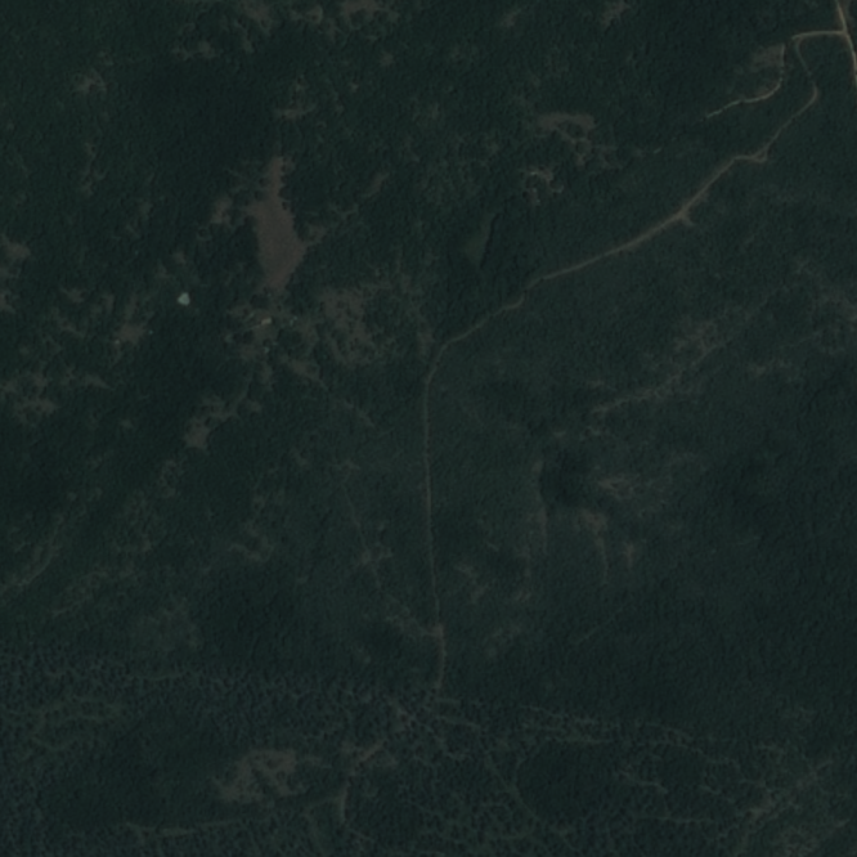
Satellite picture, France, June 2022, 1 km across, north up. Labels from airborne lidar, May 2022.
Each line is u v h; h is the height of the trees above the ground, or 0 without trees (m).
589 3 10
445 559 7
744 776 6
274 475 6
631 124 8
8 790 12
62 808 6
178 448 7
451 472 7
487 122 10
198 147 11
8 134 9
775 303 6
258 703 15
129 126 9
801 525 8
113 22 9
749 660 7
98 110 7
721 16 12
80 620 7
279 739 7
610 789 13
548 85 7
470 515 5
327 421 8
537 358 7
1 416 7
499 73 11
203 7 8
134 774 14
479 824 8
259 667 15
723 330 6
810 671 7
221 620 16
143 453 7
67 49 9
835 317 7
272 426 8
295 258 0
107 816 12
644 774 17
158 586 10
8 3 10
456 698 11
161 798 8
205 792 7
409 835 9
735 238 8
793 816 7
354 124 12
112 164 7
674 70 11
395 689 9
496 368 7
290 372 11
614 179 9
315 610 6
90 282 8
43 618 7
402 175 9
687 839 14
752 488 11
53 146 11
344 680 8
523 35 7
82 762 6
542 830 12
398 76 9
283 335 13
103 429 8
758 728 8
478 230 9
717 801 7
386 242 11
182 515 9
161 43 12
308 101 7
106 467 5
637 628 6
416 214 11
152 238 12
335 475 6
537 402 7
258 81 13
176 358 10
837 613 6
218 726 17
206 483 7
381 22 9
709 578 9
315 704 6
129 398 11
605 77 8
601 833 18
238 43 10
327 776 10
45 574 6
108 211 11
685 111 8
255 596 10
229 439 11
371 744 9
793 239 6
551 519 7
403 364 7
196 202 11
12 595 7
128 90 10
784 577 10
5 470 7
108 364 6
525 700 7
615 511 9
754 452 8
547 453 8
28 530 6
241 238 12
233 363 7
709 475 8
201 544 7
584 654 9
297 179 10
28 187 8
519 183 11
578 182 10
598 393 6
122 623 11
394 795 9
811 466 7
